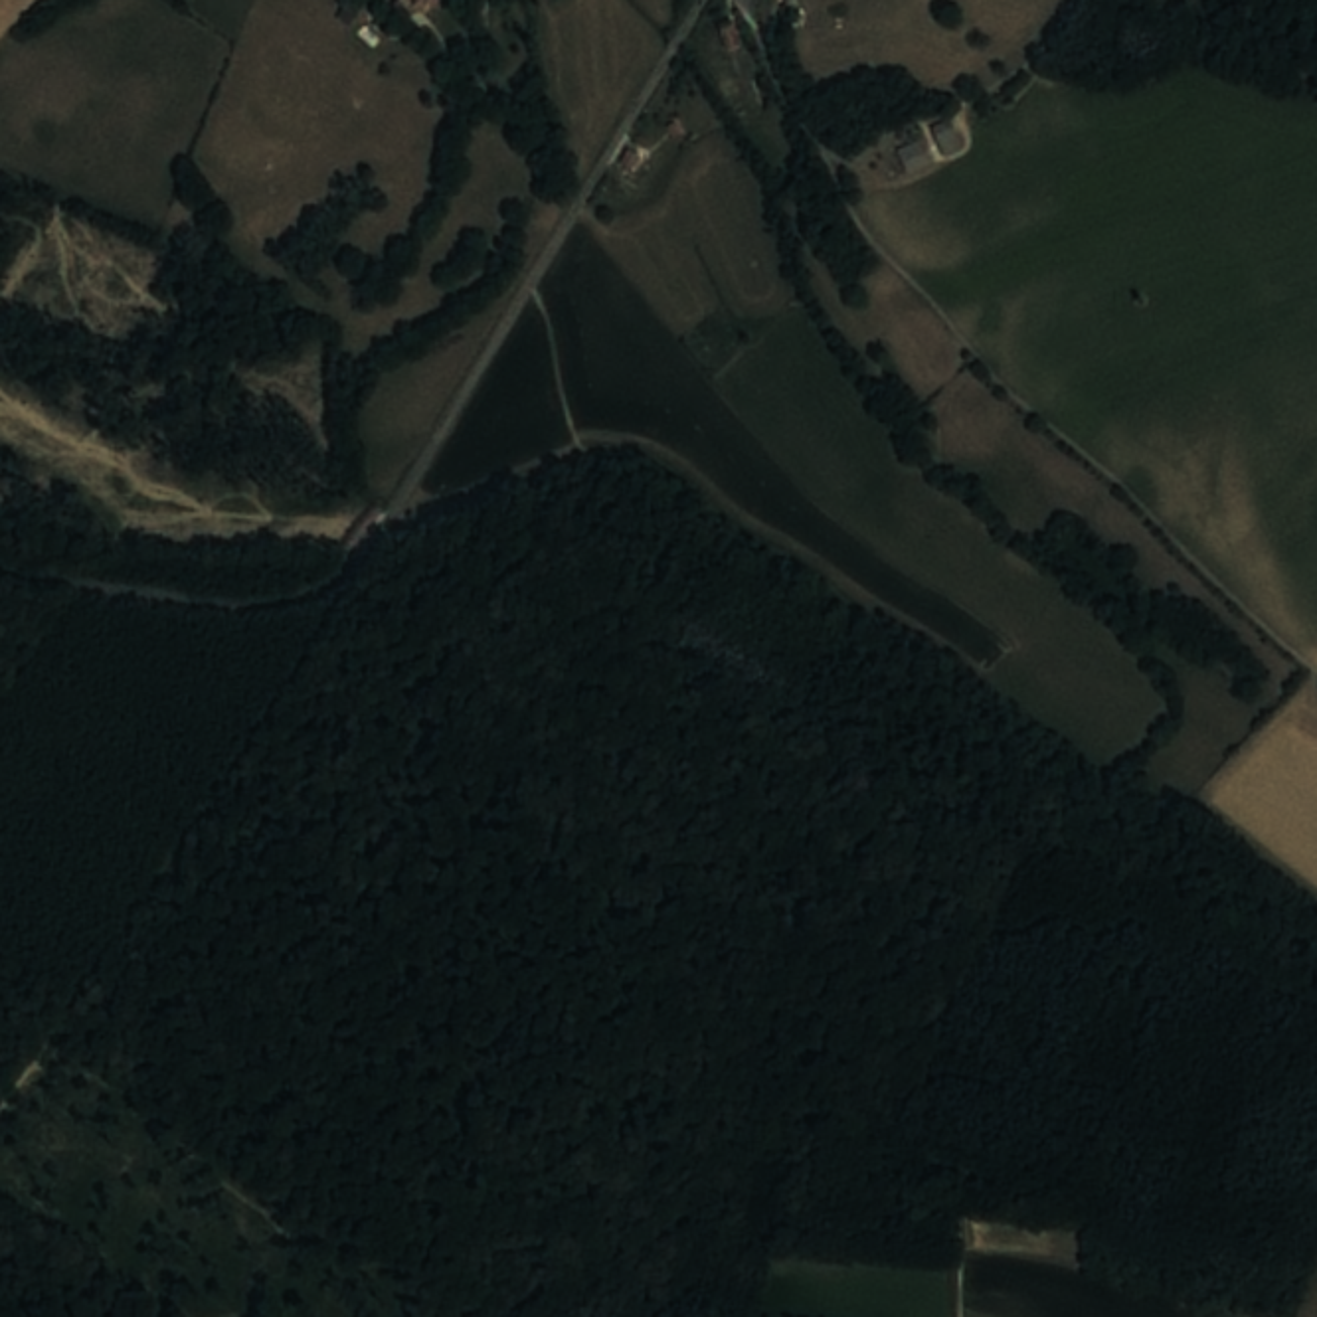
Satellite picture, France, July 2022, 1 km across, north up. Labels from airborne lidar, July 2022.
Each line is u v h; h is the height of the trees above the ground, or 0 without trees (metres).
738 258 0
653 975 29
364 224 0
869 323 0
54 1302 29
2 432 0
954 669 24
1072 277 0
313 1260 26
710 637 15
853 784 24
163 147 0
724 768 27
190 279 28
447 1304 24
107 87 0
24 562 23
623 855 27
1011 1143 24
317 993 27
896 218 0
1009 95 7
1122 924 10
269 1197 23
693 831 30
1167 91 0
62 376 31
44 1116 25
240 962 30
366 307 23
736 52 0
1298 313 0
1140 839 30
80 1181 0
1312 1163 21
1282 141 0
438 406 0
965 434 0
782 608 14
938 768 17
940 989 25
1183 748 0
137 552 26
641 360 0
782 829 28
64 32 0
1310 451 0
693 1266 26
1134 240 0
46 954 20
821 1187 22
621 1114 7
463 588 31
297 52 0
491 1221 28
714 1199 22
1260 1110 26
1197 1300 22
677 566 22
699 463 0
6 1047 25
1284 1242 18
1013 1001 22
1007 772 28
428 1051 27
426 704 25
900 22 0
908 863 26
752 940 26
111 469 0
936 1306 0
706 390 0
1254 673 16
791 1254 23
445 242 0
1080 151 0
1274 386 0
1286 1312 19
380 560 29
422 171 0
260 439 27
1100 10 27
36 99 0
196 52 0
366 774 29
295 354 28
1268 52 27
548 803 26
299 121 0
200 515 0
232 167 0
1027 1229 15
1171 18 27
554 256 0
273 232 0
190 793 17
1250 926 20
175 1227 25
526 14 8
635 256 0
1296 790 0
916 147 0
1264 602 0
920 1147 17
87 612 19
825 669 19
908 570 0
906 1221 25
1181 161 0
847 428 0
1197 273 0
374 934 25
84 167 0
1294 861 0
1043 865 14
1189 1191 15
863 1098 26
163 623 18
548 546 24
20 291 0
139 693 16
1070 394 0
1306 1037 22
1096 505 0
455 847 26
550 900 33
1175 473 0
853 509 0
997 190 0
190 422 34
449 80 22
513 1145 27
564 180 23
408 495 0
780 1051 28
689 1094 24
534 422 0
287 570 19
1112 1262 19
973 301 0
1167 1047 19
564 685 28
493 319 0
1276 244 0
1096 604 6
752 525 0
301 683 25
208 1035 23
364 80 0
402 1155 28
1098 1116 15
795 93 14
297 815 25
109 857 16
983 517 24
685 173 0
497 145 0
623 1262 25
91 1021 26
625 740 26
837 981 29
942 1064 16
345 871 27
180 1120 23
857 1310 0
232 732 17
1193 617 17
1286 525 0
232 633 19
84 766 16
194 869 21
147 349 25
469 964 27
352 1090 31
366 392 24
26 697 16
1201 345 0
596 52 0
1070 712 0
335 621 26
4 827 15
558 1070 29
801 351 0
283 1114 29
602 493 27
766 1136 31
